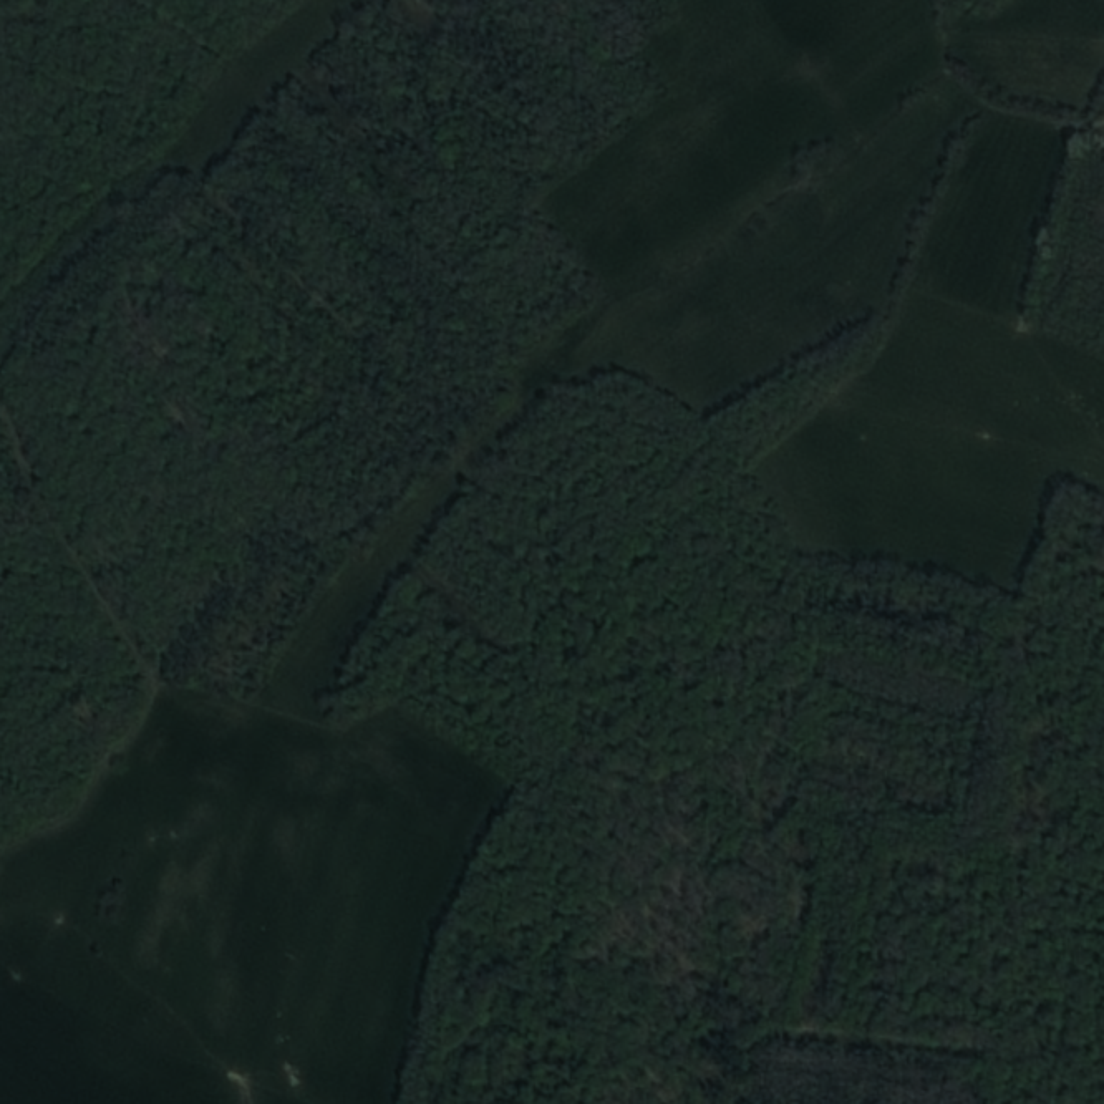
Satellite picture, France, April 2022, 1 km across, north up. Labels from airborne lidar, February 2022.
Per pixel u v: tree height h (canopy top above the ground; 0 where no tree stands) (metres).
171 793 0
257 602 26
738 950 26
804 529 0
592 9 21
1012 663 24
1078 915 24
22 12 21
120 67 22
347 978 0
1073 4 0
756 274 0
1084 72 0
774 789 23
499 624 26
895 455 0
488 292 20
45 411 24
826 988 13
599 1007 20
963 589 27
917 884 23
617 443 20
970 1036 28
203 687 6
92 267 21
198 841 0
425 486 24
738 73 0
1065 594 23
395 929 0
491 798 0
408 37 14
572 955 24
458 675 22
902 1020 25
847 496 0
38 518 22
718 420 17
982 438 0
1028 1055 24
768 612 19
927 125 0
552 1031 19
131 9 21
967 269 0
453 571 22
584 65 24
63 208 22
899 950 29
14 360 16
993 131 0
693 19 0
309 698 0
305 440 16
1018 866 20
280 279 24
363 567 0
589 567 21
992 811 25
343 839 0
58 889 0
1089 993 26
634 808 27
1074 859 23
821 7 0
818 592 12
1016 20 0
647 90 12
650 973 23
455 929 21
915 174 0
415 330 18
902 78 0
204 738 0
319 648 0
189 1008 0
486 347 17
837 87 0
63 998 0
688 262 0
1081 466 0
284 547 21
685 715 23
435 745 0
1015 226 0
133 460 24
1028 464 0
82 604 19
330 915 0
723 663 23
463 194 11
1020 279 0
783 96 0
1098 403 0
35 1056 0
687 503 24
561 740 22
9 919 0
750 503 24
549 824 18
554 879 21
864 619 30
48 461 20
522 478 11
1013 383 0
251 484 26
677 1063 23
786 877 28
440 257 17
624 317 0
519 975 21
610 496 23
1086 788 21
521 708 21
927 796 6
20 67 22
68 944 0
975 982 21
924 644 26
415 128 24
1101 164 13
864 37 0
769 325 0
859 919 24
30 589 19
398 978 0
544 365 0
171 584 24
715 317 0
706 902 29
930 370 0
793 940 21
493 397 24
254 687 18
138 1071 0
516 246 15
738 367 0
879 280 0
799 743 22
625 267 0
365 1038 0
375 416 14
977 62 0
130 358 26
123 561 26
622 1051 26
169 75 18
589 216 0
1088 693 16
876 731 21
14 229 24
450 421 25
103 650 21
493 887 21
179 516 24
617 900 25
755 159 0
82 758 20
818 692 23
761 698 21
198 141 0
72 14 21
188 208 24
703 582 21
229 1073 0
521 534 17
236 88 0
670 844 29
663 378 0
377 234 16
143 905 0
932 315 0
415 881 0
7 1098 0
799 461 0
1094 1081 20
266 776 0
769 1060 22
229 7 23
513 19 17
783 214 0
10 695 19
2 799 22
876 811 23
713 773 29
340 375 22
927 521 0
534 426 19
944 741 20
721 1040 30
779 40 0
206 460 22
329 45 8
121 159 23
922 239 16
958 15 18
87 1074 0
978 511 0
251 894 0
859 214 0
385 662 20
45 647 19
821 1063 22
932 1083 16
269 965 0
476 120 15
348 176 19
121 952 0
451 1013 25
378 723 0
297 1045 0
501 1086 25
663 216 0
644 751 26
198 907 0
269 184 21
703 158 0
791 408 17
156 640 23
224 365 23
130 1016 0
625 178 0
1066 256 11
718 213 0
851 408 0
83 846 0
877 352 17
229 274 26
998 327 0
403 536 0
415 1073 23
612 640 21
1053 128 0
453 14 17
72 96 22
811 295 0
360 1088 0
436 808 0
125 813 0
